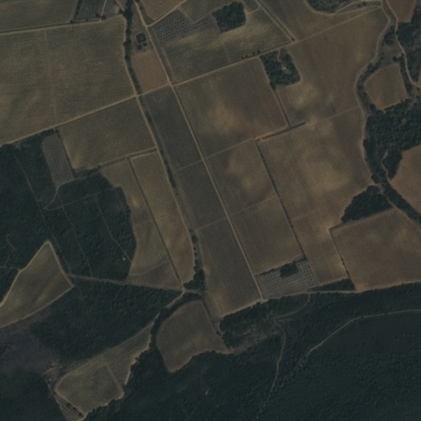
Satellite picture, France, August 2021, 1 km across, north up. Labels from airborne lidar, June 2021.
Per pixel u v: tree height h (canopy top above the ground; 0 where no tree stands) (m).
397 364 9
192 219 0
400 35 6
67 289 0
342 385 8
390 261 0
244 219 0
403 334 7
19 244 7
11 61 0
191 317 0
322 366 9
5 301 0
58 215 6
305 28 0
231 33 0
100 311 9
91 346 10
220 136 0
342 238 0
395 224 0
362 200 8
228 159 0
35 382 6
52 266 0
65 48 0
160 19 0
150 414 6
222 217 0
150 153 0
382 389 5
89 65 0
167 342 0
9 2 0
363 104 0
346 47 0
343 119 0
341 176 0
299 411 6
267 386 6
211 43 0
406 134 15
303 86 0
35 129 0
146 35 0
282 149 0
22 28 0
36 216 8
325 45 0
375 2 0
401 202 7
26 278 0
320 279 0
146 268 0
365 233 0
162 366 7
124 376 0
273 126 0
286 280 0
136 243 0
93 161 0
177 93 0
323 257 0
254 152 0
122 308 6
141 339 0
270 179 0
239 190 0
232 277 0
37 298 0
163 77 0
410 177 0
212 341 0
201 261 0
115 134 0
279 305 5
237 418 7
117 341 7
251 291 0
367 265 0
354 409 7
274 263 0
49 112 0
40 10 0
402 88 0
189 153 0
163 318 12
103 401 0
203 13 0
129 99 0
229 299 0
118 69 0
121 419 8
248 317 6
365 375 9
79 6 8
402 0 0
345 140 0
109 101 0
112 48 0
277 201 0
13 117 0
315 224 0
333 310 6
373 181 6
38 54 0
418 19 7
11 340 6
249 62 0
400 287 6
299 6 0
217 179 0
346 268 0
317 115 0
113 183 0
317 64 0
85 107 0
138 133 0
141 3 0
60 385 0
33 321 0
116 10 0
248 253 0
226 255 0
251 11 0
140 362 6
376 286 0
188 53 0
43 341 7
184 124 0
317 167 0
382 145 11
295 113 0
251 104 0
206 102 0
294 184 0
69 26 0
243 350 0
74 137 0
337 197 0
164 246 0
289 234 0
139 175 0
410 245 0
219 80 0
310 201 0
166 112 0
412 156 0
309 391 9
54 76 0
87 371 0
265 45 0
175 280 0
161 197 0
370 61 0
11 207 6
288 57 13
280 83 10
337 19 0
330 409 6
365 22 0
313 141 0
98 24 0
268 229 0
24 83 0
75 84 0
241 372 7
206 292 0
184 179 0
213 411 6
